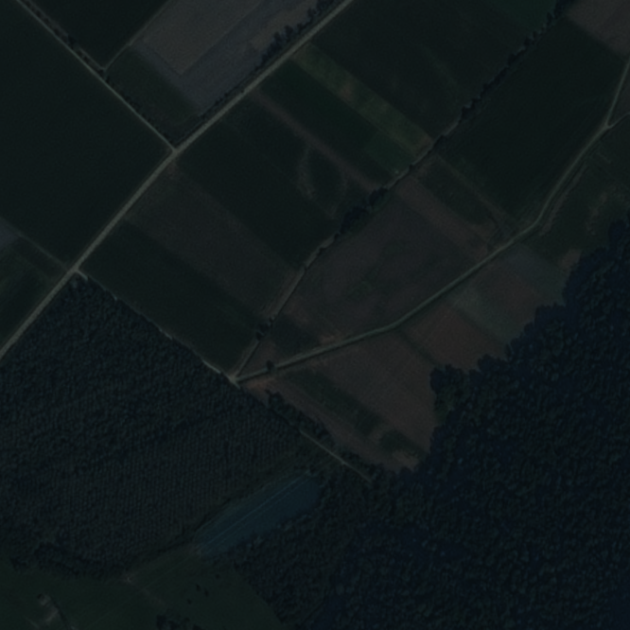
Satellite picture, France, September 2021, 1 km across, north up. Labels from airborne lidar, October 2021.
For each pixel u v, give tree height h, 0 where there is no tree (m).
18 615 0
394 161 0
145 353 19
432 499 30
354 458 9
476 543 25
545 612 31
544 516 23
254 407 25
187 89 0
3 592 0
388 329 0
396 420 0
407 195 0
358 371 0
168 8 0
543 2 0
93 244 0
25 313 0
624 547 33
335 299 0
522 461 29
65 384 13
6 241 0
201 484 27
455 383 26
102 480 24
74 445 25
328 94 0
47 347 12
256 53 0
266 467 22
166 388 19
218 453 24
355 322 0
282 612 21
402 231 0
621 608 30
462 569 27
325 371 0
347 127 0
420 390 0
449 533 25
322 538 13
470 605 30
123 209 0
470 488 30
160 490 23
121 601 0
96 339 12
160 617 0
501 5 0
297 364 0
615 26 0
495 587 32
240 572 19
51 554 22
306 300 0
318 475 10
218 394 24
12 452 22
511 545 32
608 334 29
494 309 0
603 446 29
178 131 0
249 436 25
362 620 21
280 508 0
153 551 11
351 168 0
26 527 32
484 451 29
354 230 16
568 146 28
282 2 0
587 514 25
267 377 0
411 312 0
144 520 27
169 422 20
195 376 20
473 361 0
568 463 24
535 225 0
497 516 27
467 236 0
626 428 30
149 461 24
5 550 25
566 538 29
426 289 0
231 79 0
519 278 0
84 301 20
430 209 0
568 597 31
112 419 17
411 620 25
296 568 15
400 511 24
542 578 23
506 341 0
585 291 28
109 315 17
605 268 29
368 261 0
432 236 0
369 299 0
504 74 8
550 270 0
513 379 6
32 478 28
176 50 0
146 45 0
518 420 28
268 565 7
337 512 9
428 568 26
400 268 0
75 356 11
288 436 16
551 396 28
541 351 31
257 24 0
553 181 29
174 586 0
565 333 27
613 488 28
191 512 23
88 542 30
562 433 28
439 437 0
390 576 20
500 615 27
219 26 0
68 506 25
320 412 0
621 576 33
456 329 0
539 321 0
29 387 18
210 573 0
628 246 31
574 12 0
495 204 0
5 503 30
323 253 7
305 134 0
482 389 32
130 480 25
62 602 0
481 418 7
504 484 24
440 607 29
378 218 0
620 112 0
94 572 26
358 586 29
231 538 0
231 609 0
